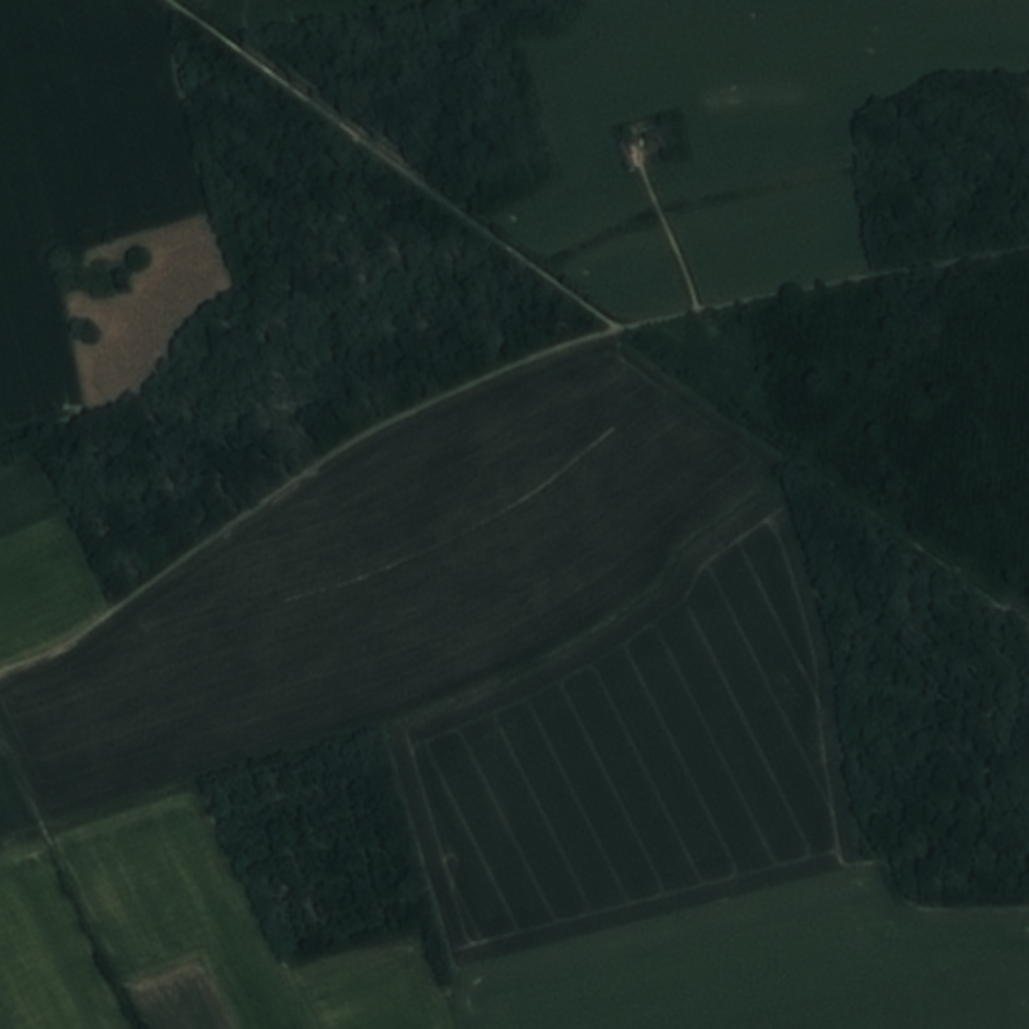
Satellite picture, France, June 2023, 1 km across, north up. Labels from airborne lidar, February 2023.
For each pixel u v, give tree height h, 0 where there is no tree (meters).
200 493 30
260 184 24
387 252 28
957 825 26
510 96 22
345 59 21
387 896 12
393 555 0
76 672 0
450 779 0
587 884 0
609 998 0
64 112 0
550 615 0
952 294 23
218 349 24
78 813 0
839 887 0
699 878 0
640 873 0
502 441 0
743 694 0
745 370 0
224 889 0
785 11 0
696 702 0
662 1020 0
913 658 24
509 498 0
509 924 0
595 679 0
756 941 0
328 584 0
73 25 0
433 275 25
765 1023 0
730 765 0
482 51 25
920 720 23
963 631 29
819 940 0
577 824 0
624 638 0
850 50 0
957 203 23
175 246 0
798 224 0
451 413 0
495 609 0
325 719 0
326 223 26
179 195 0
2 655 0
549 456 0
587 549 0
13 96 0
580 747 0
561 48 0
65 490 19
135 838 0
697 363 0
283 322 28
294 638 0
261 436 30
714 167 0
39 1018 0
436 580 0
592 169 0
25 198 0
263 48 26
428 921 9
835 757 0
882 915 0
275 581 0
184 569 0
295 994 0
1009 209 25
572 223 0
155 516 25
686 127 0
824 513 19
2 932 0
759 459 0
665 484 0
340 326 25
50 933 0
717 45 0
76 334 19
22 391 0
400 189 22
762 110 0
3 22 0
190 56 14
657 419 0
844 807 0
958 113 19
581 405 0
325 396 26
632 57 0
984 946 0
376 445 0
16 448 13
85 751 0
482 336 25
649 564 0
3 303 0
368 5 0
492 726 0
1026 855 24
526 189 14
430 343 25
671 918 0
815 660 0
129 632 0
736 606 0
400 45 24
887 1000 0
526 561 0
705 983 0
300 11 0
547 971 0
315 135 28
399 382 25
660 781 0
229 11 0
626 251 0
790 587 0
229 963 0
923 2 0
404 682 0
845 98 0
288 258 23
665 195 0
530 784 0
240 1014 0
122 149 0
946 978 0
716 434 0
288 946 20
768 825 0
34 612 0
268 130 26
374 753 22
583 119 0
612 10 0
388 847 20
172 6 0
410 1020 0
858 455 7
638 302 0
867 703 26
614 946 0
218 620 0
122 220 0
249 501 21
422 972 0
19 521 0
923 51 0
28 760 0
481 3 17
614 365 0
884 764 25
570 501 0
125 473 31
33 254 0
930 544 0
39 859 0
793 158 0
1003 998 0
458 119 28
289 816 22
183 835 0
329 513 0
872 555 27
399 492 0
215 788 17
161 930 0
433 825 0
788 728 0
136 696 0
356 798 24
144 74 0
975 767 26
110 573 19
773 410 6
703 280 0
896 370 16
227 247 21
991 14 0
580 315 9
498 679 0
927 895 23
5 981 0
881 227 19
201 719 0
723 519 0
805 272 0
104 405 0
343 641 0
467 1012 0
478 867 0
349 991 0
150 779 0
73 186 0
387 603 0
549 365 0
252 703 0
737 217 0
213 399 28
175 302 0
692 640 0
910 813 22
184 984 0
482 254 25
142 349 0
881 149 24
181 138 0
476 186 22
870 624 25
